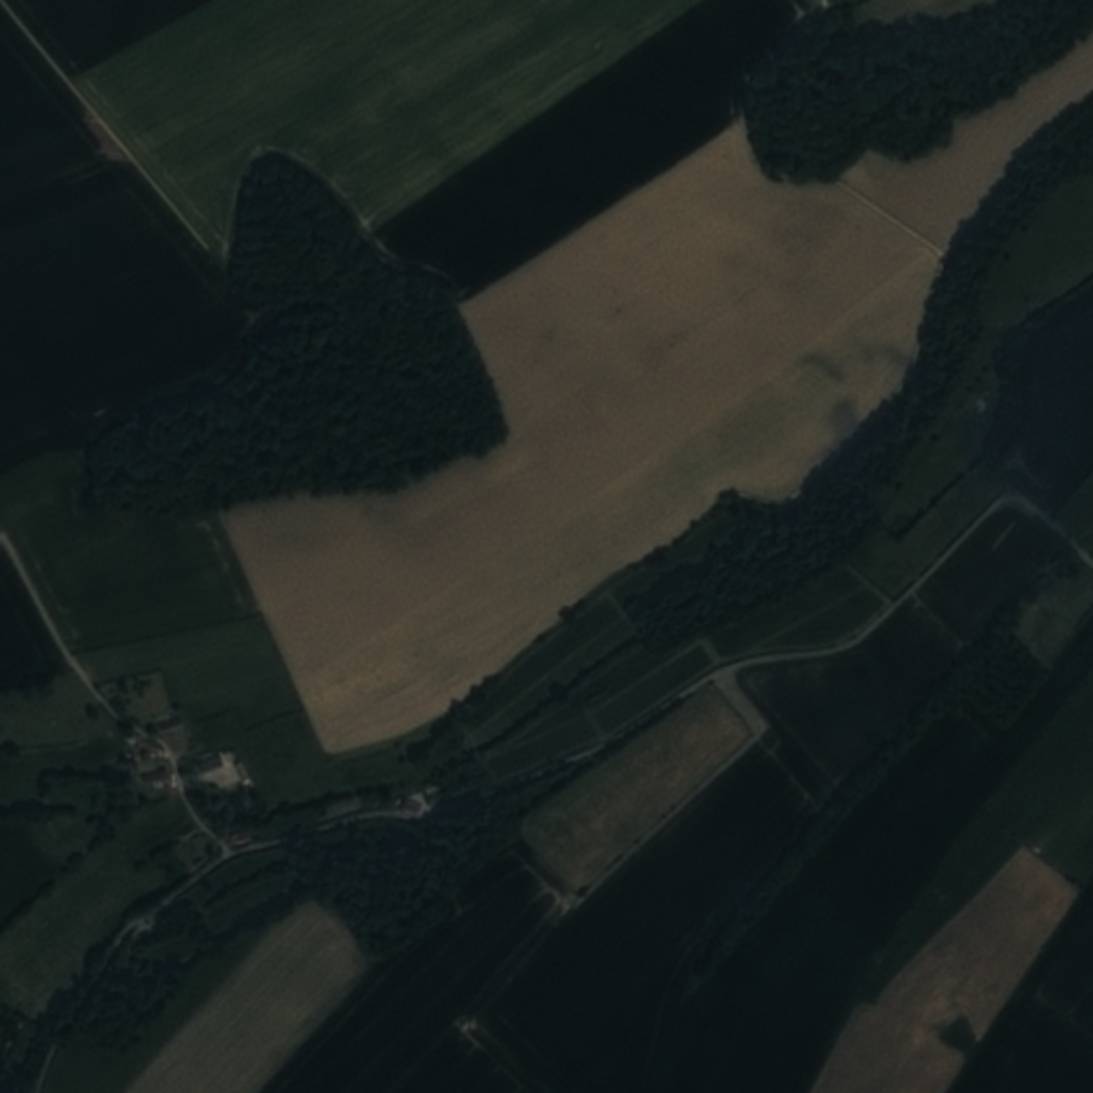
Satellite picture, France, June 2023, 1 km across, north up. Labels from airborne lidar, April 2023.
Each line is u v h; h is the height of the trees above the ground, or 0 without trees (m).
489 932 0
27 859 0
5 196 0
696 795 0
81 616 0
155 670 0
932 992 0
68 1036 14
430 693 0
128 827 0
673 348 0
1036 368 0
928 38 30
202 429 24
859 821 0
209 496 23
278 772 0
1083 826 0
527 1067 0
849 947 0
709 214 0
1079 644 0
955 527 0
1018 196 18
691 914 0
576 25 0
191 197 0
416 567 0
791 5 0
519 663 0
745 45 0
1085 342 0
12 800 0
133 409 0
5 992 0
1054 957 0
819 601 0
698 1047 0
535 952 0
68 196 0
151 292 0
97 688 9
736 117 0
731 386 0
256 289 18
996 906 0
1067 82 0
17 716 0
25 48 0
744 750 0
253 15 0
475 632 0
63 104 0
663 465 0
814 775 0
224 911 0
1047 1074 0
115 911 0
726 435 0
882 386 0
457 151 0
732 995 0
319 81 0
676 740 0
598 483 0
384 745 0
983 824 0
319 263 23
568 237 0
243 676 0
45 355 0
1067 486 0
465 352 20
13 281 0
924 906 0
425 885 20
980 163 0
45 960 0
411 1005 0
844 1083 0
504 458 0
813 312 0
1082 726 0
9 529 0
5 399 0
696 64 0
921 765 0
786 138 23
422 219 0
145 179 0
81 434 0
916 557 0
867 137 21
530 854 0
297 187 18
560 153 0
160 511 14
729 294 0
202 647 0
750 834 0
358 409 25
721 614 17
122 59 0
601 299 0
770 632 0
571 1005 0
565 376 0
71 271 0
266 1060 0
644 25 0
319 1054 0
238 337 0
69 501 0
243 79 0
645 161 0
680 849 0
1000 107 0
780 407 0
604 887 0
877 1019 0
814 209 0
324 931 0
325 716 0
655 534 0
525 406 0
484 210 0
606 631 0
